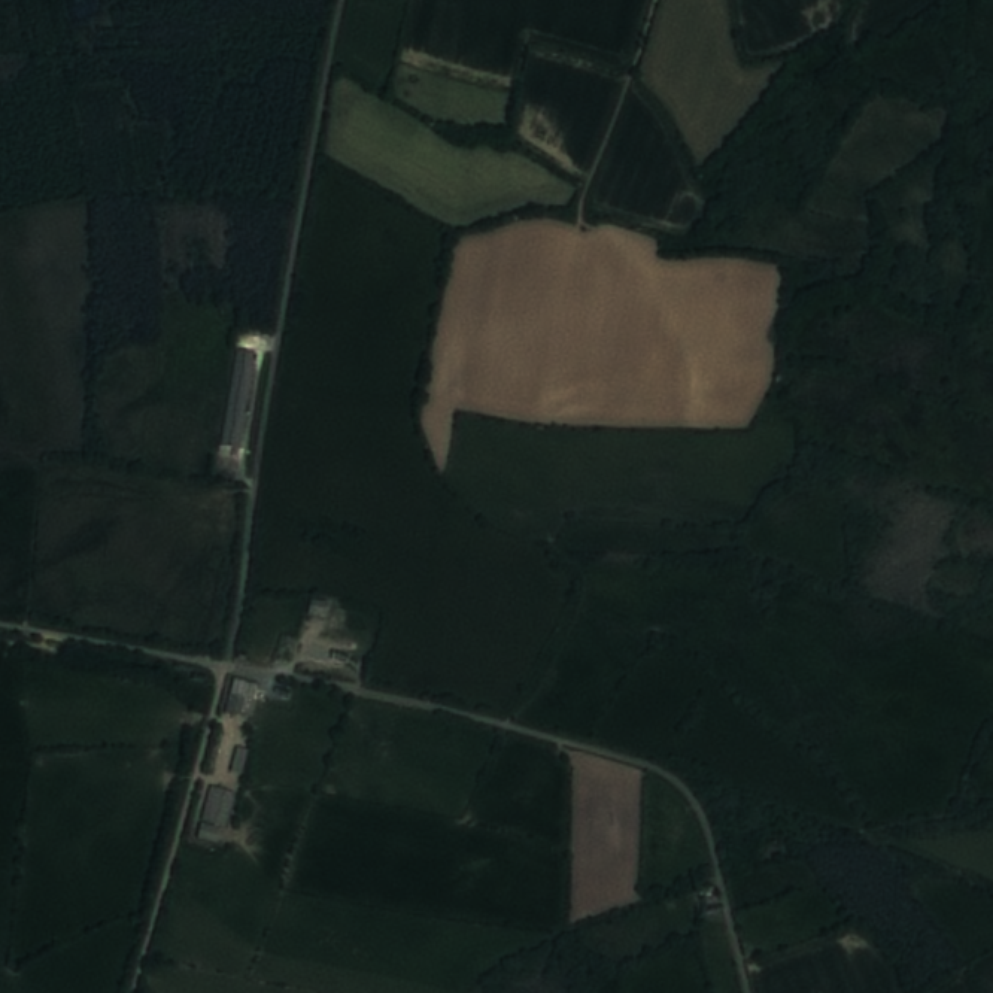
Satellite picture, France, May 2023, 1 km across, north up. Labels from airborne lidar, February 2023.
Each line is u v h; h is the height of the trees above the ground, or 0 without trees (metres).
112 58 9
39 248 0
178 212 0
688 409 0
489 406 0
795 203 10
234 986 0
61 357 0
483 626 0
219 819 0
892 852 8
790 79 10
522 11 0
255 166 18
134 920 9
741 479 0
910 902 16
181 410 0
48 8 6
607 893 0
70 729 0
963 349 7
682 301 0
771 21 0
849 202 0
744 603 0
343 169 6
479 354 0
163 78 14
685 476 0
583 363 0
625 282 0
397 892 0
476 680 0
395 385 0
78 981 0
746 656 0
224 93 21
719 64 0
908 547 0
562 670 0
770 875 0
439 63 0
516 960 8
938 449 0
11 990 0
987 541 0
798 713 0
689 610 0
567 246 0
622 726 0
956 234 9
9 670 0
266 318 15
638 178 0
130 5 13
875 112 0
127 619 0
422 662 0
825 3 0
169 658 0
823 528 0
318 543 9
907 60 0
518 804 0
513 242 0
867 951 0
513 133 8
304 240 7
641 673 0
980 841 0
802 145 10
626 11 0
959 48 7
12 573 0
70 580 0
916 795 0
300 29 12
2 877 0
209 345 0
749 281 0
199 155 17
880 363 0
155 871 11
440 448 0
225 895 0
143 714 0
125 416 0
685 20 0
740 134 10
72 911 0
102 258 16
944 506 0
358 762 0
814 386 0
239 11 21
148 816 0
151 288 16
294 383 0
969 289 13
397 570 0
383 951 0
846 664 0
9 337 0
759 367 0
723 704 0
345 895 0
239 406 0
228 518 0
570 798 0
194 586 0
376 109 0
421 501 0
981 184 6
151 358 0
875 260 11
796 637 0
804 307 15
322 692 16
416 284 0
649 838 0
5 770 0
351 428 0
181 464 0
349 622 0
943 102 7
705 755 0
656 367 0
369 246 0
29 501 0
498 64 0
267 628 0
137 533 0
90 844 0
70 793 0
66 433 0
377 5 0
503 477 0
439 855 0
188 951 0
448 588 0
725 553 7
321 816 0
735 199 11
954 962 16
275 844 0
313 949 0
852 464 8
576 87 0
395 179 0
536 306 0
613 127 0
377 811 0
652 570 7
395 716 0
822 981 0
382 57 0
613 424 0
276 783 0
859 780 0
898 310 11
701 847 0
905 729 0
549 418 0
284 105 23
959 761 0
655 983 0
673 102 0
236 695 0
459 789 0
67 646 8
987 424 7
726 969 0
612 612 0
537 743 0
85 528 0
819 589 7
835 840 13
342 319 0
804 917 0
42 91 6
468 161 0
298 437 0
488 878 0
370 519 0
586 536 0
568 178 7
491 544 0
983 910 0
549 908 0
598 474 0
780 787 0
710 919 0
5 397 0
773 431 0
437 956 0
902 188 0
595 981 8
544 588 0
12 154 8
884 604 8
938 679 0
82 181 7
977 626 0
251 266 11
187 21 13
